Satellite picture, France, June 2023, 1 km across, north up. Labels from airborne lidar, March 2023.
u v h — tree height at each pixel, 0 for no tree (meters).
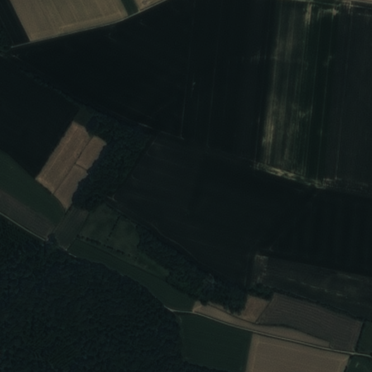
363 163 0
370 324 0
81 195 28
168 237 0
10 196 0
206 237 0
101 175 33
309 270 0
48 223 0
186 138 0
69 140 0
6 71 0
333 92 0
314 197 0
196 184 0
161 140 0
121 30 0
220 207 0
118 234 0
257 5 0
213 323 0
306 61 0
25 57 0
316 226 0
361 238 0
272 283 0
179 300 0
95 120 26
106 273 22
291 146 0
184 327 0
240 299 26
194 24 0
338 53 0
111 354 22
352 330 0
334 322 0
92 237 0
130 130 22
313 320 0
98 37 0
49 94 0
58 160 0
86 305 22
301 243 0
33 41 0
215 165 0
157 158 0
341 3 0
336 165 0
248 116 0
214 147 0
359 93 0
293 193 0
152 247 22
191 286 15
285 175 0
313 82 0
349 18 0
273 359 0
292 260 0
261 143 0
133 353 25
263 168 0
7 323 29
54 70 0
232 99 0
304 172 0
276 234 0
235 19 0
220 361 0
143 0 0
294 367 0
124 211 0
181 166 0
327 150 0
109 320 17
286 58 0
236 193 0
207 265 0
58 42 0
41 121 0
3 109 0
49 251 19
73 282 32
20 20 0
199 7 0
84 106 10
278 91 0
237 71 0
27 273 23
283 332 0
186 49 0
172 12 0
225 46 0
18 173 0
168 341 27
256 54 0
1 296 8
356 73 0
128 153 31
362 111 0
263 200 0
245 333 0
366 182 0
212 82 0
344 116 0
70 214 0
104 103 0
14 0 0
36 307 27
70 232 0
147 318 21
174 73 0
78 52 0
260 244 0
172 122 0
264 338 0
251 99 0
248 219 0
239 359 0
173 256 23
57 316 25
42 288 27
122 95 0
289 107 0
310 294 0
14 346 24
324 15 0
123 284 28
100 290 25
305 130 0
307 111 0
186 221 0
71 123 6
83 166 0
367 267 0
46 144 0
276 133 0
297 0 0
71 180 0
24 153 0
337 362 0
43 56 0
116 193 0
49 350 18
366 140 0
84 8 0
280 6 0
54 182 0
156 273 0
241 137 0
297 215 0
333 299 0
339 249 0
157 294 0
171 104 0
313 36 0
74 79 0
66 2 0
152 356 25
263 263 0
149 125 0
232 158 0
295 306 0
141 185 0
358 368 0
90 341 16
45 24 0
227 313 0
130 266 0
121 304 32
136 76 0
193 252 0
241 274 0
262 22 0
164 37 0
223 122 0
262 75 0
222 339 0
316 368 0
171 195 0
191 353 0
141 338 22
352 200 0
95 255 0
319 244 0
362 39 0
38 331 15
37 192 0
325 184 0
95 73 0
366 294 0
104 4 0
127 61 0
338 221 0
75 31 0
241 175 0
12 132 0
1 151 0
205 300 7
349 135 0
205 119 0
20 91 0
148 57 0
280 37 0
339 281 0
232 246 0
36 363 27
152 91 0
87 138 0
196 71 0
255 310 0
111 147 26
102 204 13
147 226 0
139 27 0
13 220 0
